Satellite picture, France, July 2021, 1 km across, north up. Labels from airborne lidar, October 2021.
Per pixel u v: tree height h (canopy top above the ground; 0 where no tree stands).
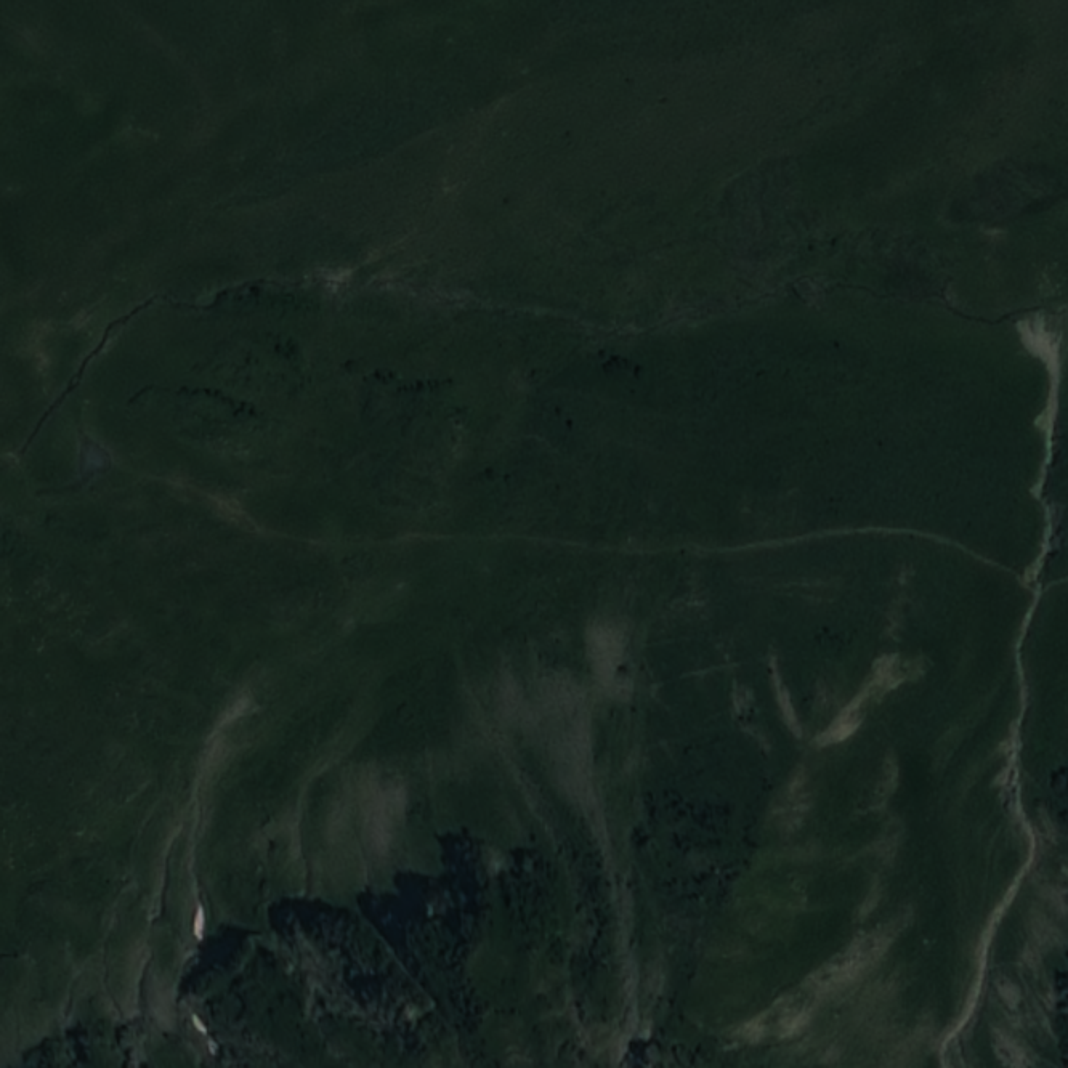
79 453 0
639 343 0
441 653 0
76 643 0
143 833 0
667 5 0
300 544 0
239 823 0
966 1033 0
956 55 0
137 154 0
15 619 0
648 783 0
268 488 0
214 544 0
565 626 0
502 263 0
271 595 0
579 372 0
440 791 0
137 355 0
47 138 0
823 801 0
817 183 0
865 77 0
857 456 0
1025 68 0
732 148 0
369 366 0
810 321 0
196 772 0
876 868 0
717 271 0
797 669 0
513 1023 0
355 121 0
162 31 0
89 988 0
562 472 0
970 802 0
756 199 0
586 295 0
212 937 0
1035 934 0
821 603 0
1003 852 0
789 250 0
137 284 0
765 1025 0
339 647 0
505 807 0
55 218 0
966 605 0
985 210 0
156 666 0
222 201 0
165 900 0
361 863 0
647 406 0
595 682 0
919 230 0
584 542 0
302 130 0
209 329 0
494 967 0
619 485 0
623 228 0
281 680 0
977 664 0
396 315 0
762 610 0
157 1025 0
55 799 0
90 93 0
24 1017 0
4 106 0
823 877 0
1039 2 0
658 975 0
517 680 0
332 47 0
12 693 0
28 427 0
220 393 13
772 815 0
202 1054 0
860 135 0
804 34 0
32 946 0
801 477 0
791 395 0
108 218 0
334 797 0
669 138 0
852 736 0
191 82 0
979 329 0
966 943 0
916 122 0
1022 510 0
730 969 0
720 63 0
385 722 0
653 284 0
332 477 0
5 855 0
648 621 0
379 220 0
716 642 0
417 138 0
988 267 0
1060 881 0
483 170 0
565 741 0
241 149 0
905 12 0
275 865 0
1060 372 0
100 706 0
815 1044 0
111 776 0
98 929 0
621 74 0
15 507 0
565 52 0
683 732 0
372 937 18
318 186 0
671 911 0
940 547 0
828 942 0
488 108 0
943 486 0
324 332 0
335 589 0
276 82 0
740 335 0
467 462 0
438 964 7
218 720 0
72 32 0
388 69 0
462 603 0
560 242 0
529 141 0
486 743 0
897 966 0
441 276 0
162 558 0
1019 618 0
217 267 0
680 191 0
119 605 0
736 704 0
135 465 0
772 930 0
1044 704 0
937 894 0
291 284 0
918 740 0
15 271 0
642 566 0
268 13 0
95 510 0
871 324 0
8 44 0
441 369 0
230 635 0
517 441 0
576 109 0
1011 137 0
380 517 0
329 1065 0
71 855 0
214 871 0
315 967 0
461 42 0
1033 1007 0
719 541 0
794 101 0
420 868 0
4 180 0
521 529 0
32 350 0
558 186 0
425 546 0
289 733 0
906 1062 0
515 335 0
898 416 0
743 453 0
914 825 0
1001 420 0
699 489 0
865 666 0
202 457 0
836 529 0
